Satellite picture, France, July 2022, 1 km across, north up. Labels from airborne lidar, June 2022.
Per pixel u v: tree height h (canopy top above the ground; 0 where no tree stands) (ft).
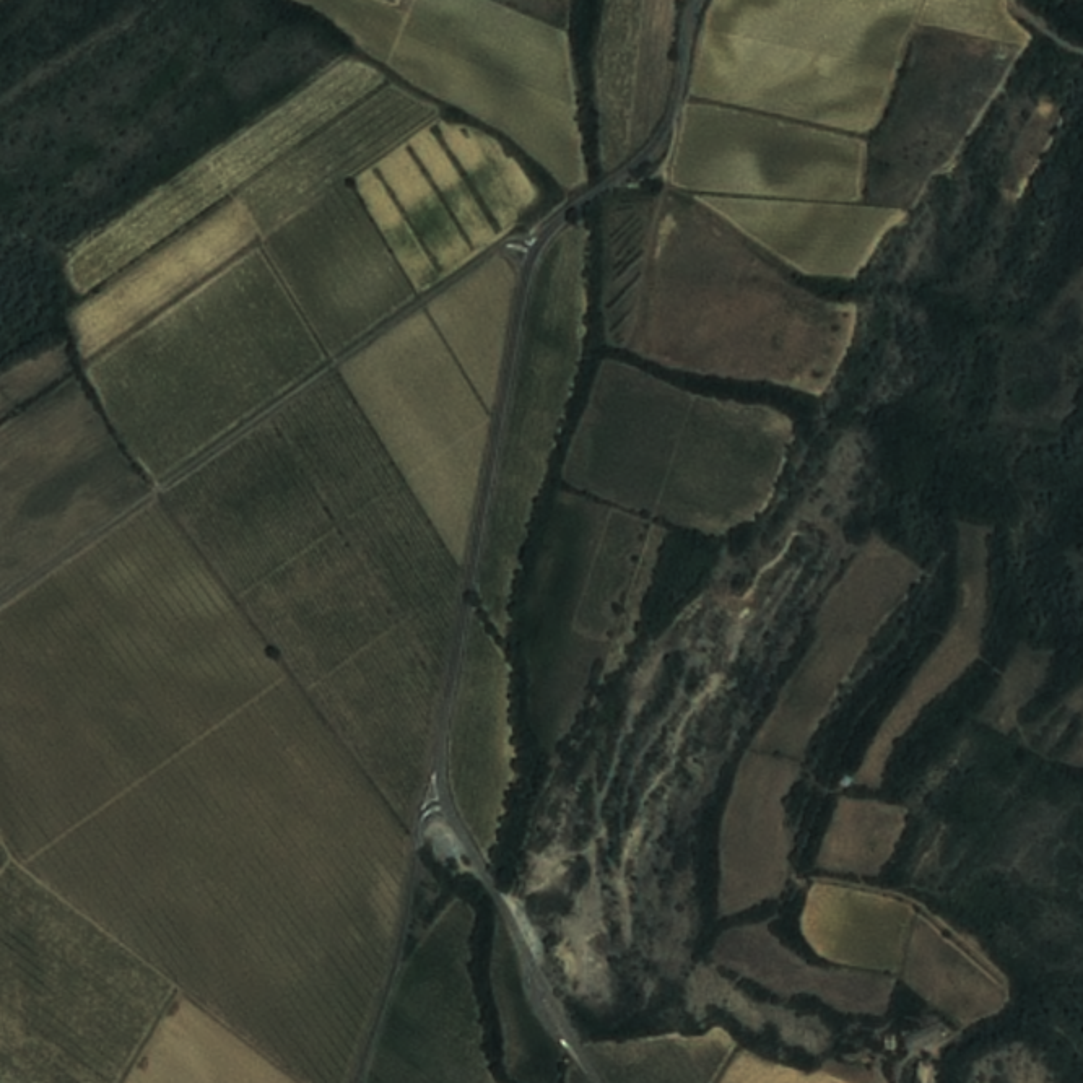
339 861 0
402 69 0
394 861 0
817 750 36
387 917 0
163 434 0
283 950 0
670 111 0
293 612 0
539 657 0
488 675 0
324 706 0
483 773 0
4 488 0
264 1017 0
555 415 0
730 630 0
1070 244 19
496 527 0
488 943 48
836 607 0
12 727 0
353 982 0
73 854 0
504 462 0
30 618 0
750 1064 0
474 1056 0
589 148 38
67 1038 0
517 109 0
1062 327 24
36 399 18
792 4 0
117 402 0
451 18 0
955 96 0
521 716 43
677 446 0
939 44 0
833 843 0
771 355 0
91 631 0
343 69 0
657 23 0
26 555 0
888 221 0
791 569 0
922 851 0
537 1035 0
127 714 0
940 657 0
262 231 0
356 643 0
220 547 0
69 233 35
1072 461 38
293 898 0
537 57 0
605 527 0
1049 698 18
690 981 0
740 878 0
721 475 0
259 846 0
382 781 0
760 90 0
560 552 0
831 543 0
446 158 0
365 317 0
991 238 34
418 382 0
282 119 0
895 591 0
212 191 0
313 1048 0
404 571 0
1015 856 0
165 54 31
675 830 19
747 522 27
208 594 0
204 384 0
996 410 41
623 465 0
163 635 0
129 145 0
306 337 0
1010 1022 20
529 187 0
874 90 0
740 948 0
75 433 0
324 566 0
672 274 0
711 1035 0
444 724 0
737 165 0
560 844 0
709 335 0
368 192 0
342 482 0
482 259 0
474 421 0
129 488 0
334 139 0
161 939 0
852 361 19
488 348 0
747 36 0
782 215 0
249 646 0
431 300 0
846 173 0
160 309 0
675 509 0
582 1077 0
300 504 0
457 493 0
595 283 45
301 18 21
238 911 0
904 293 26
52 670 0
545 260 0
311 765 0
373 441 0
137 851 0
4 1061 0
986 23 0
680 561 17
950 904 18
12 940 0
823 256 0
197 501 0
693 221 0
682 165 0
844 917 0
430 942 0
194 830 0
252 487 0
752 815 0
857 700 20
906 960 0
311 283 0
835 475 0
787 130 0
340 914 0
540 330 0
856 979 0
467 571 0
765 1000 20
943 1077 22
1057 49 27
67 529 0
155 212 0
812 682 0
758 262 0
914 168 0
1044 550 30
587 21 35
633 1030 26
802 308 0
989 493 30
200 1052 0
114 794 0
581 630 0
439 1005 0
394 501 0
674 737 0
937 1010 26
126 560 0
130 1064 0
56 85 20
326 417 0
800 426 25
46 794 0
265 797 0
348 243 0
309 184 0
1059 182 47
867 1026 26
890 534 25
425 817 0
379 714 0
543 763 24
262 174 0
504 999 0
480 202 0
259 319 0
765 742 0
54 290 56
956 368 41
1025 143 0
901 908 0
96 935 0
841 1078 0
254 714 0
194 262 0
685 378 30
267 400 0
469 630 0
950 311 29
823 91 0
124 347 0
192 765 0
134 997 0
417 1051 0
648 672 0
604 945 0
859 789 27
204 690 0
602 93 0
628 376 0
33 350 58
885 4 0
